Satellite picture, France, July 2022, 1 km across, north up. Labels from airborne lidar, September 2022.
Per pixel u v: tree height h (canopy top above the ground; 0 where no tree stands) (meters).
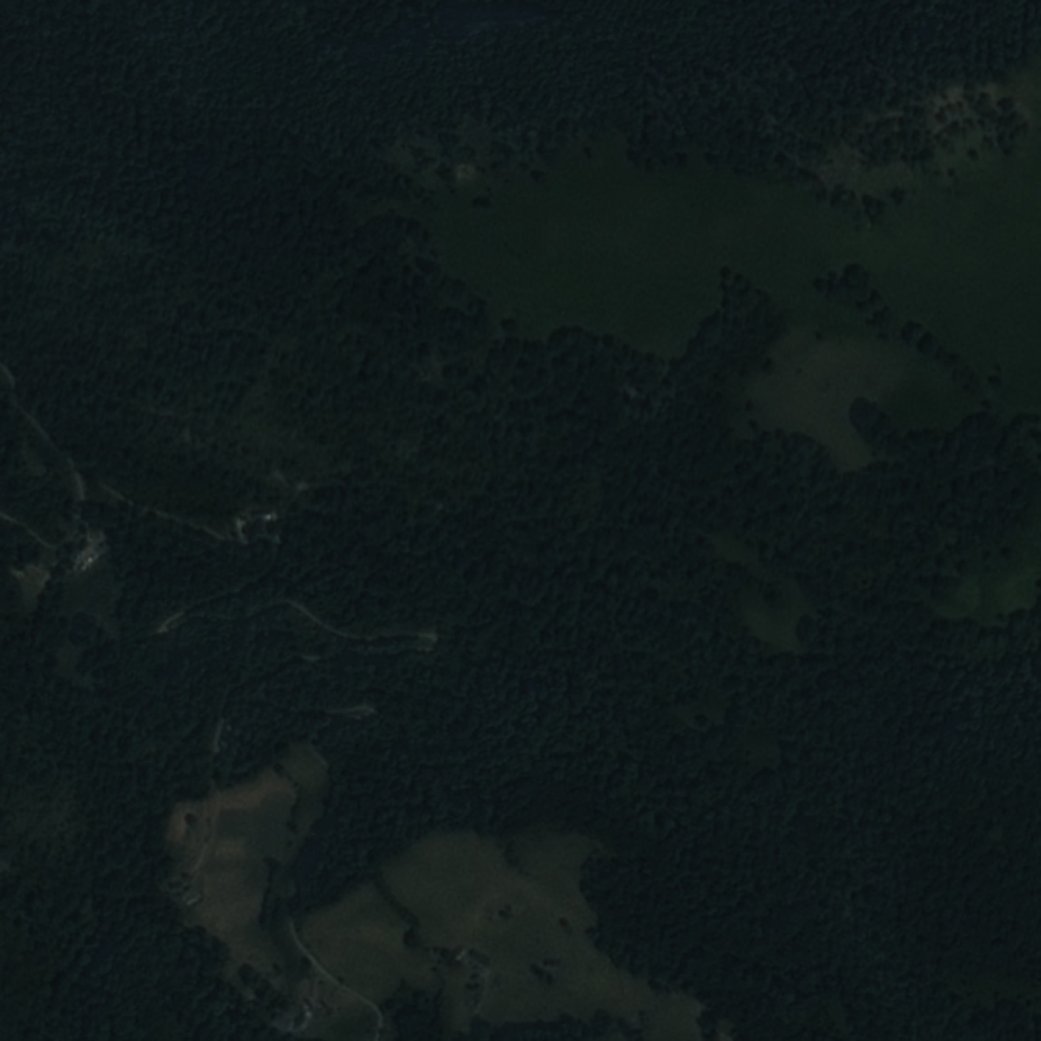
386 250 32
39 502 20
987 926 25
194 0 13
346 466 9
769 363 15
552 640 21
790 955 18
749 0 22
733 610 10
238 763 18
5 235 23
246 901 0
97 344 24
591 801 17
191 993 25
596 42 10
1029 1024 15
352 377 26
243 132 22
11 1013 21
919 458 29
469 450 21
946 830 29
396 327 28
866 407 20
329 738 17
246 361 24
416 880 0
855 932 18
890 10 25
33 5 18
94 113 24
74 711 17
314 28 26
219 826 0
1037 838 21
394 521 10
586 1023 0
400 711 17
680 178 0
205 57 14
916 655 32
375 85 19
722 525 9
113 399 17
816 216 0
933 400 0
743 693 23
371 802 19
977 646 27
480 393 28
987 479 30
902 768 26
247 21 27
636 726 25
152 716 18
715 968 10
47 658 13
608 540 33
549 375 20
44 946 25
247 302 9
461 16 21
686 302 0
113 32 20
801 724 19
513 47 20
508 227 0
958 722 35
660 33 21
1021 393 0
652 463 13
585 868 8
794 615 0
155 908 27
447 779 31
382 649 9
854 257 0
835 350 0
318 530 11
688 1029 0
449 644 15
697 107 23
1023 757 31
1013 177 0
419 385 16
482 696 29
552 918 0
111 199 23
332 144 25
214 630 11
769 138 23
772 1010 27
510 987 0
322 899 14
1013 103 14
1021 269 0
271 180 29
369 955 0
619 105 17
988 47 10
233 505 10
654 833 23
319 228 22
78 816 15
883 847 22
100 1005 31
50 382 22
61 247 22
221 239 27
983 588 0
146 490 10
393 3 22
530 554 30
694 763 21
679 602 9
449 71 24
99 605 0
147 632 13
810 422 0
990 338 0
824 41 25
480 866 0
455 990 0
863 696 18
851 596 19
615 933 22
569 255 0
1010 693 28
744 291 19
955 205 0
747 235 0
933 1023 23
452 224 0
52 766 20
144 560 24
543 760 29
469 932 0
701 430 22
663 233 0
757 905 20
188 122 17
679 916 24
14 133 14
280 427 9
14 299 19
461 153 16
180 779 15
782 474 15
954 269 0
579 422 29
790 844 26
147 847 11
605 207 0
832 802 16
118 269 17
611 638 15
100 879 22
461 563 21
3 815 18
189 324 9
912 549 18
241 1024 28
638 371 18
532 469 17
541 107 19
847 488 21
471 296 15
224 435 7
